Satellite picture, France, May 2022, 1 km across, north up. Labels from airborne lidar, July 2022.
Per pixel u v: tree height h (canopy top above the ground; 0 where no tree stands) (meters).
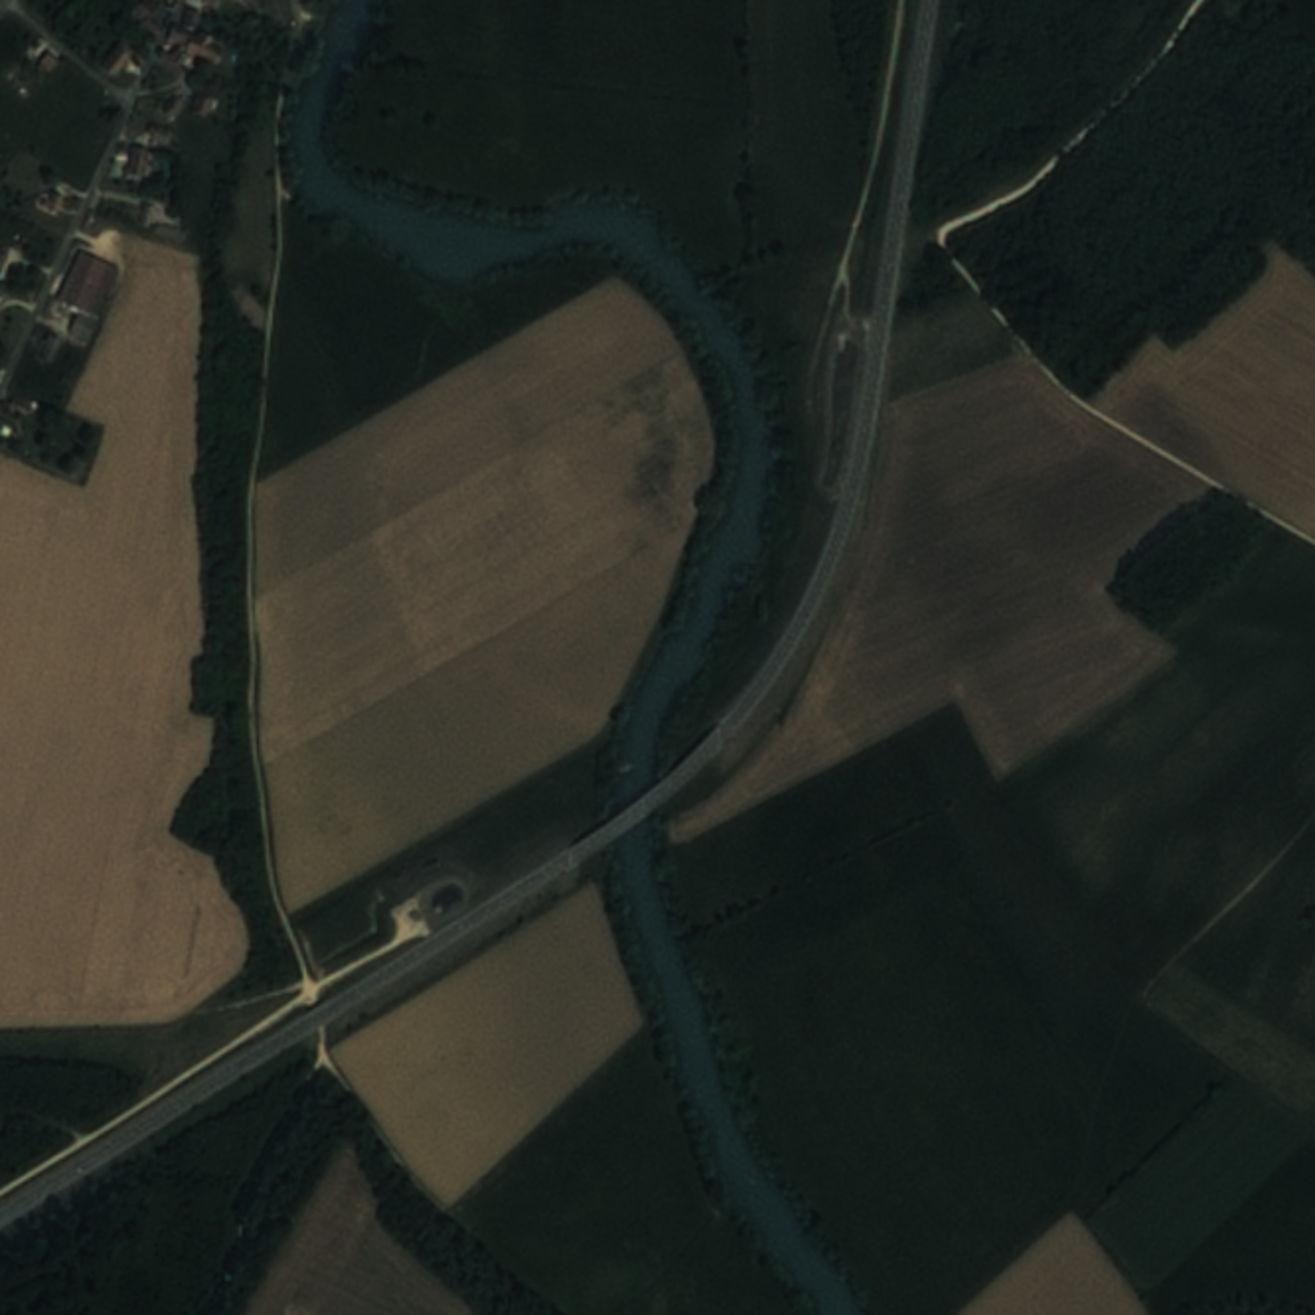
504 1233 0
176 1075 0
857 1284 10
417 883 0
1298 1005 0
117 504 0
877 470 0
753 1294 0
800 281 0
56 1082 18
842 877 0
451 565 0
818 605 0
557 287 0
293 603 0
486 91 0
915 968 0
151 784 0
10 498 0
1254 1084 0
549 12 0
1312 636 0
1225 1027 0
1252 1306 13
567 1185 0
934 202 13
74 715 0
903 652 0
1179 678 0
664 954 0
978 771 0
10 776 0
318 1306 0
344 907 0
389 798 0
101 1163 0
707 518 11
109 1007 0
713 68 0
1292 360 0
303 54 20
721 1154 0
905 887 0
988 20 15
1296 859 0
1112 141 19
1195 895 0
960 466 0
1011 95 14
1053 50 14
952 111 14
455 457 0
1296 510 0
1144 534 0
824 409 0
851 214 0
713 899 0
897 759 0
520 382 0
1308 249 16
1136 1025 0
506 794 0
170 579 0
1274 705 0
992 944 0
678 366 0
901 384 0
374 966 0
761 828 0
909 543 0
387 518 0
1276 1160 0
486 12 0
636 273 11
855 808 0
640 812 0
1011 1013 0
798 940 0
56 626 0
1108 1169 0
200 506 12
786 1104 0
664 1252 0
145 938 0
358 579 0
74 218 0
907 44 0
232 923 0
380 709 0
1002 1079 0
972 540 0
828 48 0
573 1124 0
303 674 0
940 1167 0
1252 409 0
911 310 11
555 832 0
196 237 0
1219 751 0
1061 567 0
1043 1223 0
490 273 6
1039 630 0
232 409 14
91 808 0
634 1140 0
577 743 0
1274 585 0
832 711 0
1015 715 0
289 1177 18
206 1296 9
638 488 0
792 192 0
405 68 17
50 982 0
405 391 0
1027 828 0
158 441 0
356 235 12
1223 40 13
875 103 12
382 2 15
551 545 0
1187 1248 0
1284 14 18
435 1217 11
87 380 0
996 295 13
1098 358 17
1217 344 0
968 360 0
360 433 0
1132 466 0
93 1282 9
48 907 0
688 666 0
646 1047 0
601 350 0
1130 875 0
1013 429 0
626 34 0
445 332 0
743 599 13
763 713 0
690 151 0
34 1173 0
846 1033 0
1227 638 0
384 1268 0
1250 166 16
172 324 0
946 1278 0
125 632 0
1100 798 0
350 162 15
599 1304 0
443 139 0
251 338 11
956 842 0
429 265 0
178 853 0
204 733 0
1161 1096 0
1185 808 0
